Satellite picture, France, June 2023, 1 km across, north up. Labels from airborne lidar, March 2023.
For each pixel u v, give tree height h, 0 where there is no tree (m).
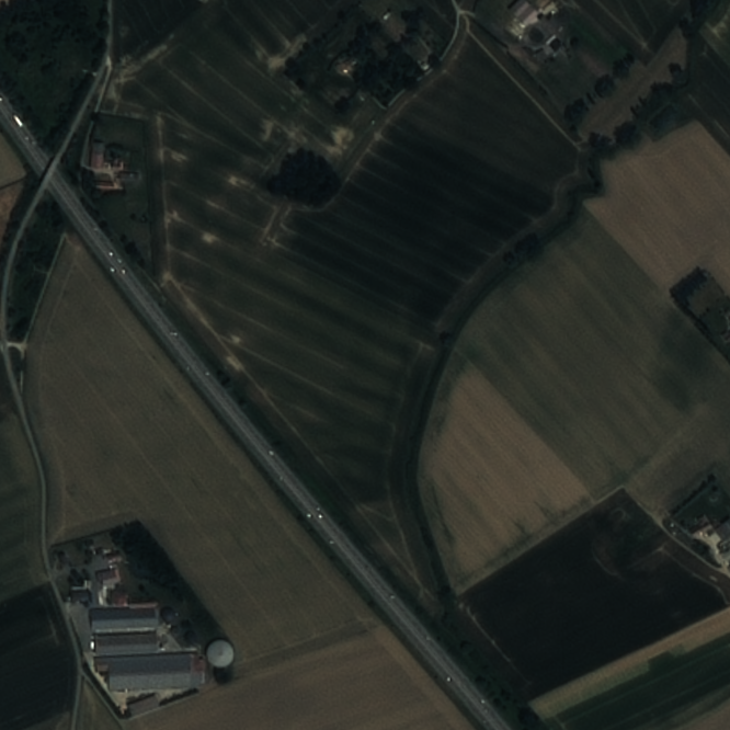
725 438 0
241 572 0
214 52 0
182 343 0
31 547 0
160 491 0
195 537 0
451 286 0
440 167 0
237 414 0
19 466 0
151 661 0
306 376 0
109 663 0
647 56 0
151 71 0
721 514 0
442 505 0
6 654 0
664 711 0
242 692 0
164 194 0
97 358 0
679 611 0
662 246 0
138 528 14
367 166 0
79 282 0
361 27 0
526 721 17
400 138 0
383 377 0
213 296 0
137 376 0
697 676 0
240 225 0
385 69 17
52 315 0
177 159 0
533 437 0
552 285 0
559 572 0
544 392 0
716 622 0
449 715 0
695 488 0
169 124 0
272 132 0
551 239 0
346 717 0
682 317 0
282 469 0
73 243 0
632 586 0
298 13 0
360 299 0
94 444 0
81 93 8
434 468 0
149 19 0
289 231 0
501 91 0
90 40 16
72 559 0
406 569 0
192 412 0
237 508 0
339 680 0
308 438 0
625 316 0
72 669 0
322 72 0
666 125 0
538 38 0
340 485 0
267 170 0
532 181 0
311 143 0
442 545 0
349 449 0
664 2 0
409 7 0
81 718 0
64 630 0
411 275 0
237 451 0
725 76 0
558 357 0
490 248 0
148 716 0
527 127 0
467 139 0
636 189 0
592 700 0
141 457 0
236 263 0
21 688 0
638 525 0
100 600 0
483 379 0
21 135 0
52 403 0
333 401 0
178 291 0
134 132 0
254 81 0
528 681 0
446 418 0
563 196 0
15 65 0
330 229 0
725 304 0
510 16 0
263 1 0
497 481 0
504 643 0
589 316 0
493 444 0
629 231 0
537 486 0
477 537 0
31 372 0
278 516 0
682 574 0
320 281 0
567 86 0
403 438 0
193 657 0
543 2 0
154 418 0
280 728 0
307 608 0
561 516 0
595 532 0
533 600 0
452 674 0
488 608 0
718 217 0
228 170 0
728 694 0
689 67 0
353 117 0
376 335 0
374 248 0
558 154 0
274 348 0
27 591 0
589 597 0
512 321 0
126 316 0
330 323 0
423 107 0
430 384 0
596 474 0
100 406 0
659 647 0
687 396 0
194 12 0
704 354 0
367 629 0
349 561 0
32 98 0
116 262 0
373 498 0
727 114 0
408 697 0
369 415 0
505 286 0
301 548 0
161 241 0
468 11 0
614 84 17
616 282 0
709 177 0
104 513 0
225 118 0
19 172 0
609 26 0
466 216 0
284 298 0
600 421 0
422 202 0
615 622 0
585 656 0
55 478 0
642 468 0
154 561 13
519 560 0
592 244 0
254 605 0
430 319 0
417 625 0
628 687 0
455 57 0
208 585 0
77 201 0
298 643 0
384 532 0
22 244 10
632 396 0
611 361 0
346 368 0
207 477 0
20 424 0
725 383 0
